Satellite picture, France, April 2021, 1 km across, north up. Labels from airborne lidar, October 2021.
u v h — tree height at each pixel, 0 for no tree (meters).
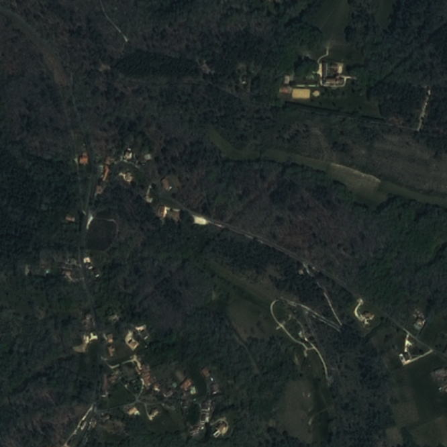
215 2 20
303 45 22
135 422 15
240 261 26
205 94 14
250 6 8
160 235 24
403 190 0
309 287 22
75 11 22
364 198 0
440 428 0
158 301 23
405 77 21
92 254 6
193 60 15
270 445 24
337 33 0
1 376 22
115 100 10
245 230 19
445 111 16
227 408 7
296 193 27
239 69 13
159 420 0
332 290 16
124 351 0
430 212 14
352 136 18
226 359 15
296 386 0
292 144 19
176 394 12
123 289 8
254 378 13
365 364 22
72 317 17
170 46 11
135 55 16
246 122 21
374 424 13
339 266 12
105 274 9
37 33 15
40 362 23
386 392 17
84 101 13
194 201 7
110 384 8
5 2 19
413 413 0
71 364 15
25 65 15
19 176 18
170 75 23
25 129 16
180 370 0
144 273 18
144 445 20
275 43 21
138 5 25
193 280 19
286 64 26
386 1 0
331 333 10
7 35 11
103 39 26
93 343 0
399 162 0
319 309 10
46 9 21
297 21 7
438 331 0
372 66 23
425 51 21
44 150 20
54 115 16
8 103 18
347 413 12
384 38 17
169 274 13
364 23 21
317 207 6
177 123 22
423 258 20
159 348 13
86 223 0
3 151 17
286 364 8
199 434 0
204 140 18
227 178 22
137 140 20
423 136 19
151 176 17
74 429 16
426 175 0
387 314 11
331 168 0
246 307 0
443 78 18
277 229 19
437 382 0
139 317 13
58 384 17
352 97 0
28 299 7
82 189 24
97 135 6
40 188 20
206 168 17
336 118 19
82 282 18
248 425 13
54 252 25
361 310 0
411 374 0
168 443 6
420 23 22
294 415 0
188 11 20
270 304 0
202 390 0
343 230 13
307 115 9
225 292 11
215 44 15
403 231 20
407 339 11
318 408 0
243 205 23
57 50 17
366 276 21
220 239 20
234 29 14
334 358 7
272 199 16
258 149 11
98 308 6
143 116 19
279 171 21
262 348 20
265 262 21
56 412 17
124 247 22
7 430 11
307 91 0
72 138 22
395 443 0
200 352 14
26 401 15
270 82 22
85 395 20
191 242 27
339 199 19
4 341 15
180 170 13
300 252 13
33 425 18
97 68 26
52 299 21
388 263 20
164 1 17
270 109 17
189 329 26
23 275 17
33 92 18
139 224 24
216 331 23
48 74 13
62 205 13
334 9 0
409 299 23
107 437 0
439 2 12
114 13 20
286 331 6
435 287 23
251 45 23
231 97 17
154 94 18
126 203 14
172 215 0
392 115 20
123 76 11
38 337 12
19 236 14
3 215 19
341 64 0
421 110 20
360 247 16
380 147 0
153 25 14
